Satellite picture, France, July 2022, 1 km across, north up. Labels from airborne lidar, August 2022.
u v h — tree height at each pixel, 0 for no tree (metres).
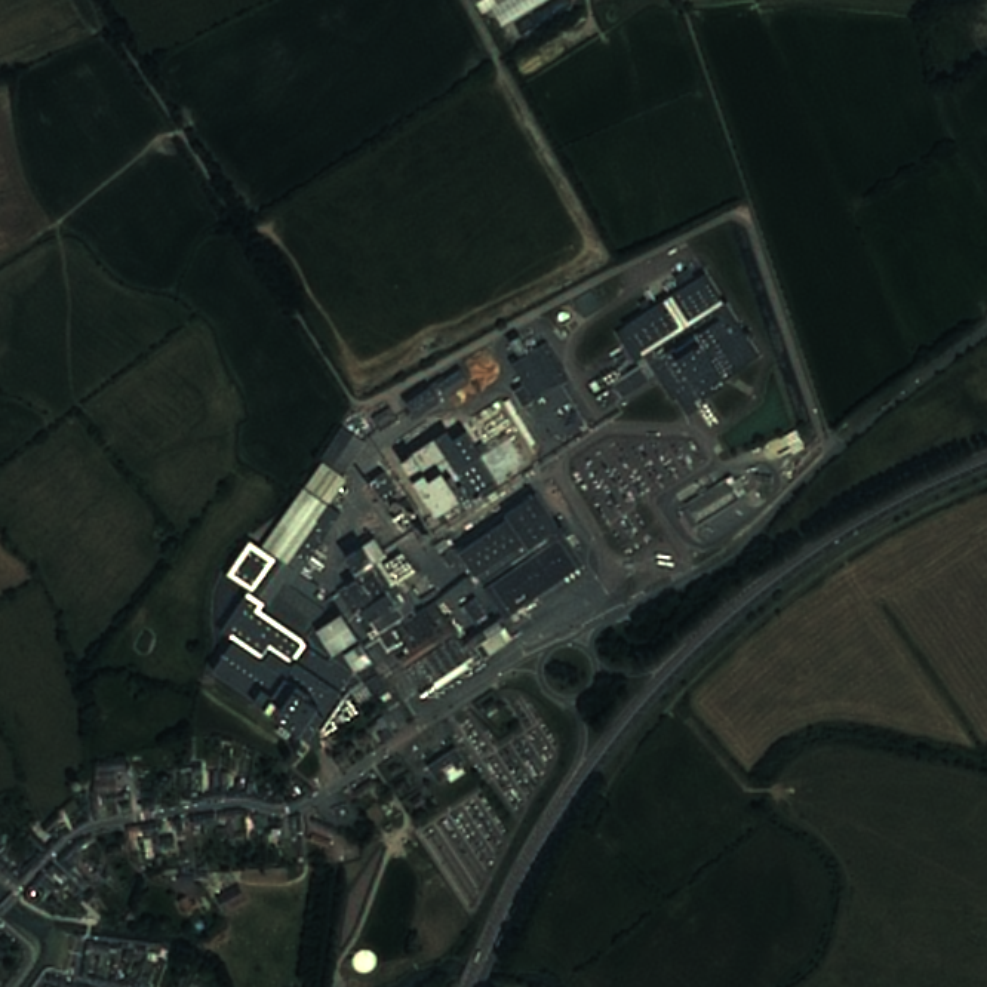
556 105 0
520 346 0
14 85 7
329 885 13
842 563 0
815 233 0
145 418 0
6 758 0
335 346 0
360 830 9
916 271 0
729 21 0
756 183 0
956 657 0
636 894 0
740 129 0
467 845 0
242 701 0
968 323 9
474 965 0
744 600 0
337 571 0
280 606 0
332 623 0
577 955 0
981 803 0
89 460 0
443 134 0
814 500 0
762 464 0
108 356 0
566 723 0
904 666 0
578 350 0
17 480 0
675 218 0
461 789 0
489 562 0
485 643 0
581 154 0
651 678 0
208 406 0
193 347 0
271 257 24
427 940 0
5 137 0
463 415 0
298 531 0
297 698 0
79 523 0
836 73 0
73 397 0
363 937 0
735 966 0
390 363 0
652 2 0
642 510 0
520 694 0
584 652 0
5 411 0
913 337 0
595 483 0
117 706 0
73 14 0
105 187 0
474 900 0
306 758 0
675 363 0
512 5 0
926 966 0
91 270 0
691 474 0
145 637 0
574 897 0
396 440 0
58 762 0
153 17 0
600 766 0
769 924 0
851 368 0
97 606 0
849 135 0
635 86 0
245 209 17
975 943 0
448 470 0
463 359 0
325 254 0
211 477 0
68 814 0
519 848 0
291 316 13
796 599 0
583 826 9
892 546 0
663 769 0
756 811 13
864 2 0
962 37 0
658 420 0
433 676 0
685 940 0
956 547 0
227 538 0
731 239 0
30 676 0
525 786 0
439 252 0
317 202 0
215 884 0
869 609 0
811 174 0
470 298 0
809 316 0
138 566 0
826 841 0
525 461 0
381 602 0
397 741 0
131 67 10
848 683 0
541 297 0
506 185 0
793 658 0
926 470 22
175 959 17
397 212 0
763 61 0
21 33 0
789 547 23
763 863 0
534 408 0
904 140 0
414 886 0
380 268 0
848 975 0
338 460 0
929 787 0
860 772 0
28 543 0
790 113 0
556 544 0
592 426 0
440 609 0
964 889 0
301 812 0
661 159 0
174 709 0
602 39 0
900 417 0
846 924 0
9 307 0
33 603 0
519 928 25
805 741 6
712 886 0
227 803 0
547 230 0
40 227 0
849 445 6
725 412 0
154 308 0
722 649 0
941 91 16
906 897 0
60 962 0
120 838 13
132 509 0
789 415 0
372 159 0
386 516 0
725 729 0
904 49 0
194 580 0
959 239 0
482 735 0
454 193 0
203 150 15
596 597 0
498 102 0
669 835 0
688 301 0
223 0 0
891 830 0
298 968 11
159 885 0
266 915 0
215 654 0
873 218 0
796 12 0
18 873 0
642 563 0
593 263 0
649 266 0
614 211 0
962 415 0
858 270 0
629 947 0
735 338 0
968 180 0
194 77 0
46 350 0
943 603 0
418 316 0
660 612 14
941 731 0
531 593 0
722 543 0
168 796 8
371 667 0
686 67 0
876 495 26
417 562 0
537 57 0
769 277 0
